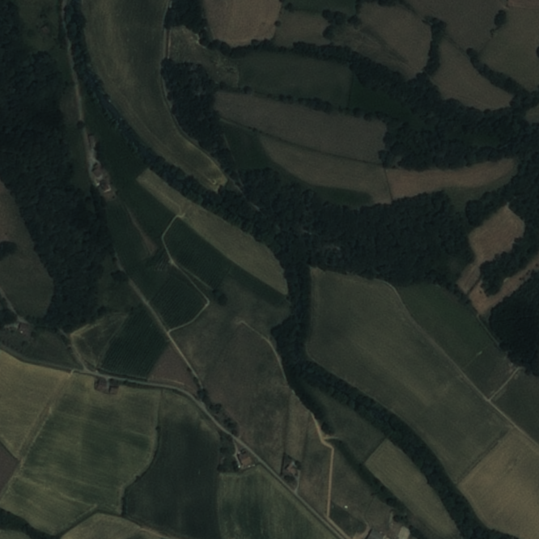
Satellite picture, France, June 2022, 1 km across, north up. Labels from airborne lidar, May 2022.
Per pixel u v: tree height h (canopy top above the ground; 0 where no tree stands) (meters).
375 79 23
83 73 12
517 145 20
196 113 15
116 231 0
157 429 7
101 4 0
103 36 0
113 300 0
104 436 0
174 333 0
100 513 0
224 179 0
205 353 0
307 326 11
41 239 20
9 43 24
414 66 0
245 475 0
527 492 0
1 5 26
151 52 0
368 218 19
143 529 0
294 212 21
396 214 18
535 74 0
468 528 17
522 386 0
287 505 0
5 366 0
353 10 0
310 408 13
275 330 14
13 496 0
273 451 0
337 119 0
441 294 0
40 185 24
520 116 9
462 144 19
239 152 0
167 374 0
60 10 10
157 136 0
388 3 14
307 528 0
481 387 0
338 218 25
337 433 0
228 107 0
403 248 21
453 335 0
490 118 19
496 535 8
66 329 19
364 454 0
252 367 0
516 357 13
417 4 0
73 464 0
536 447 0
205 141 14
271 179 11
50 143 26
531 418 0
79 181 0
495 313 12
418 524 0
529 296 8
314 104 16
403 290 0
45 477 0
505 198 21
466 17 0
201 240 0
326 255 9
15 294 0
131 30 0
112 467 0
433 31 9
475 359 0
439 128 14
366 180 0
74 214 28
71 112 0
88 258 24
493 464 0
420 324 0
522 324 9
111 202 0
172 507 0
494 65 0
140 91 0
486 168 0
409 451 15
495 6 0
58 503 0
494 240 0
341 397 17
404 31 0
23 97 24
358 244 20
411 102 21
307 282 23
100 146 22
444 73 0
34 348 0
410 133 5
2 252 20
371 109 0
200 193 15
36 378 0
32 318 6
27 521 0
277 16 0
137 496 0
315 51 16
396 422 14
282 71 0
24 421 0
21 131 15
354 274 22
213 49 10
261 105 0
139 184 0
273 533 0
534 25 0
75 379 0
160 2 0
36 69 24
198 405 0
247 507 0
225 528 0
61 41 7
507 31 0
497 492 0
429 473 11
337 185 0
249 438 0
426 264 15
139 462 0
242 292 0
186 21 15
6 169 19
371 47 0
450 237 24
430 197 23
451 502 13
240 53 18
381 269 28
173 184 22
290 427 0
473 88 0
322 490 0
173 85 19
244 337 0
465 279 0
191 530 0
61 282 22
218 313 0
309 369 21
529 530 0
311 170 0
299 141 0
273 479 0
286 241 23
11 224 0
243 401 0
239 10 0
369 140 0
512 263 21
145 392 0
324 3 0
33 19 0
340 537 0
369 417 14
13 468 0
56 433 0
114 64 0
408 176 0
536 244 11
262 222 26
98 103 6
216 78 0
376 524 0
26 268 0
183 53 0
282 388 0
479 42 0
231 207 14
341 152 0
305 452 0
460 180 0
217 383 0
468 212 16
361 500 0
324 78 0
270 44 16
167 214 0
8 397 0
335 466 0
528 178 20
